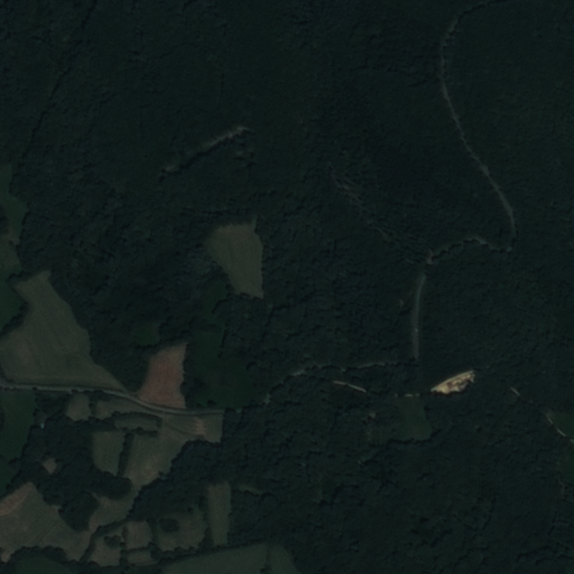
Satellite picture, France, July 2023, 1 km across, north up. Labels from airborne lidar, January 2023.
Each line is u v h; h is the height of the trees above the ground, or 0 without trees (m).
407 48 5
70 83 21
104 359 7
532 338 14
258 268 0
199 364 0
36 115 13
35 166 19
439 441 21
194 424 0
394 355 19
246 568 0
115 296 22
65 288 9
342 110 6
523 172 15
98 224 25
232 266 0
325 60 18
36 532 0
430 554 17
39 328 0
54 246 20
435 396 24
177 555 7
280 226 8
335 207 20
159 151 23
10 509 0
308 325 21
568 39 16
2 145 22
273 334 17
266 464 25
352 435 21
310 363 21
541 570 19
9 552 0
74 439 20
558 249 18
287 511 23
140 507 19
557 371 15
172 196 18
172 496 24
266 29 21
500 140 15
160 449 0
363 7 11
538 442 15
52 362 0
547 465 18
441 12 19
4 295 0
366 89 23
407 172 11
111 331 20
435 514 19
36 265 18
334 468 26
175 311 22
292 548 16
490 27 18
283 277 17
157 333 0
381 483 23
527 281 17
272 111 19
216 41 20
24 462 13
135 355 24
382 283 17
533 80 15
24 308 11
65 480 16
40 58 27
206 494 15
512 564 21
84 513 19
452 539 21
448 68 13
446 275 12
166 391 0
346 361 17
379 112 19
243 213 19
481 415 17
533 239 17
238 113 22
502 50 18
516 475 16
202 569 0
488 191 22
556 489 20
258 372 18
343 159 14
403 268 15
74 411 0
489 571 23
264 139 21
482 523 15
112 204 22
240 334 19
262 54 20
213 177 21
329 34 19
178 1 24
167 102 25
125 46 21
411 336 19
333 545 21
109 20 22
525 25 19
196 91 22
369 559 20
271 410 12
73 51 12
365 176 15
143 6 25
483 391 13
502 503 16
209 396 0
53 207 18
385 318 20
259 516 18
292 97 17
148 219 26
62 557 13
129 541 0
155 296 19
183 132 21
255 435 27
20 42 29
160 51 18
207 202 20
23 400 0
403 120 22
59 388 0
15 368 0
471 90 12
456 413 18
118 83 14
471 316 13
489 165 13
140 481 0
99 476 19
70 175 17
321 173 24
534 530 20
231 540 12
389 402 21
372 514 22
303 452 22
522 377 11
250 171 15
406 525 25
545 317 14
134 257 26
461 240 0
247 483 19
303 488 26
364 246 19
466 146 15
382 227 11
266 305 12
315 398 22
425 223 13
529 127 16
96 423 14
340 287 11
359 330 13
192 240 23
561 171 16
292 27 17
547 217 14
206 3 25
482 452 21
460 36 16
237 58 24
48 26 11
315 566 18
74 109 16
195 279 26
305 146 21
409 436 0
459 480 22
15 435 0
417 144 21
